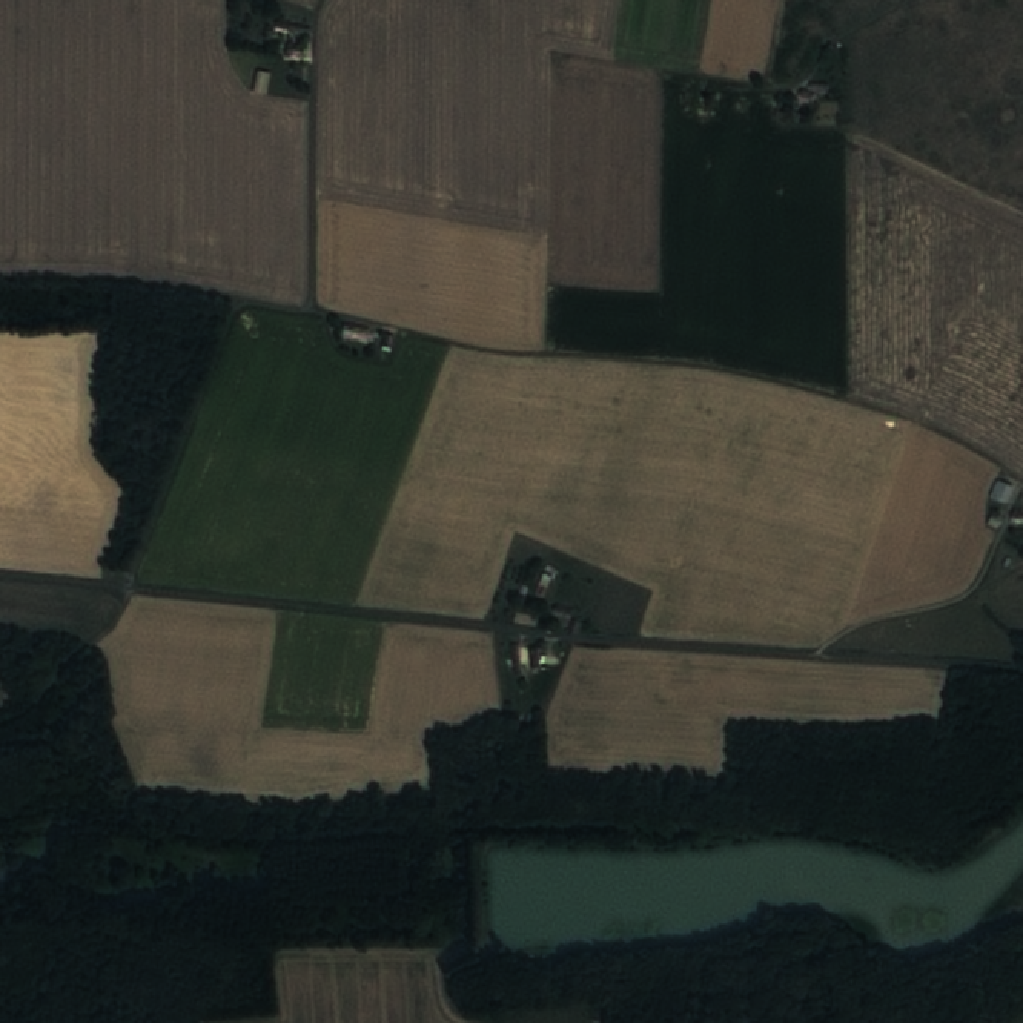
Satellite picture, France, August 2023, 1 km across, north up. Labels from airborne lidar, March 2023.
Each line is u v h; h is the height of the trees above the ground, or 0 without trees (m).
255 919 34
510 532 0
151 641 0
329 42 0
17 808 23
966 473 0
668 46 0
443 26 0
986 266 0
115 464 17
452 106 0
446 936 0
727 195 0
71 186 0
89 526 0
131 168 0
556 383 0
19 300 0
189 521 0
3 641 11
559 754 0
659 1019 15
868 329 0
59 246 0
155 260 0
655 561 0
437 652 0
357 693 0
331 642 0
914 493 0
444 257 0
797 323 0
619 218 0
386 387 0
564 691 0
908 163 0
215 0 0
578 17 0
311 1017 0
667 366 0
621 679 0
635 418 0
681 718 0
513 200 0
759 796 23
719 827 24
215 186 0
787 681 0
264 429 0
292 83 12
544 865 0
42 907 25
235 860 0
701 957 21
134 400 19
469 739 18
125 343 19
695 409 0
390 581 0
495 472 0
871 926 0
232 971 25
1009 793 24
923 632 0
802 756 16
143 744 0
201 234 0
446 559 0
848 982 26
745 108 0
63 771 10
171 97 0
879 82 0
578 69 0
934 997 27
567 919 0
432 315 0
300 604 0
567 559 0
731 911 0
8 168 0
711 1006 22
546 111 0
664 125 0
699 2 0
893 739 18
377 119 0
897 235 0
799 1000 25
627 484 0
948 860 15
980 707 13
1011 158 0
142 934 21
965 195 0
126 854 0
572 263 0
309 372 0
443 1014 0
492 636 0
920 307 0
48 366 0
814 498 0
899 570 0
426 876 27
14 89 0
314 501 0
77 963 22
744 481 0
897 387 0
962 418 0
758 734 15
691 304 0
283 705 0
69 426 0
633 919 0
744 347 0
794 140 0
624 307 0
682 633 0
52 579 0
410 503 0
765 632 0
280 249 0
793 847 0
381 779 0
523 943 0
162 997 21
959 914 0
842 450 0
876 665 0
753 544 0
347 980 0
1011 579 0
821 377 0
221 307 15
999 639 0
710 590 0
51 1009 22
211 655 0
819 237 0
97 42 0
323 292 0
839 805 22
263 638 0
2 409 0
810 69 0
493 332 0
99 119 0
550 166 0
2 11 0
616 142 0
